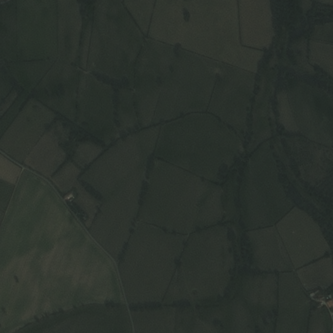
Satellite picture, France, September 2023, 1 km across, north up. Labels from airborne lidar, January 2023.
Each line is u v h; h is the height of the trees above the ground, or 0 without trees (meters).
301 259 0
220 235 0
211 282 0
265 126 0
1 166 0
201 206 0
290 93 0
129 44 0
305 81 17
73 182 0
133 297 0
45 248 0
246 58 0
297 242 0
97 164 0
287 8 20
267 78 0
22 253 0
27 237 0
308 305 0
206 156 0
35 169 0
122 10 0
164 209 0
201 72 0
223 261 0
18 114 0
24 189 0
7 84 0
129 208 0
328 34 0
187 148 0
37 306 0
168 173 0
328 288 6
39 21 0
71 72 0
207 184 0
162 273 0
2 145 0
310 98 0
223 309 0
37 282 0
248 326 0
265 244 0
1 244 0
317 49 0
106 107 0
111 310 0
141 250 0
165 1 0
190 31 0
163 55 0
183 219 0
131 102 0
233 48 0
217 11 0
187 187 0
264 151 0
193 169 0
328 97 0
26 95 0
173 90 0
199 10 0
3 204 0
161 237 0
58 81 0
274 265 0
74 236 0
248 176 0
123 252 11
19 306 0
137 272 0
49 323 0
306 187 21
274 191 0
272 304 0
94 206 0
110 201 0
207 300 0
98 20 0
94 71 0
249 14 0
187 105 0
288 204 0
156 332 0
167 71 0
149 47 0
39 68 0
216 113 0
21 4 0
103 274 0
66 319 0
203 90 0
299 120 0
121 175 0
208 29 0
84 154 0
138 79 0
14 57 0
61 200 0
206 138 0
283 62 0
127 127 0
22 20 0
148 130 0
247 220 0
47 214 0
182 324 0
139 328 0
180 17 0
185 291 0
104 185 0
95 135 0
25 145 0
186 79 0
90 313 0
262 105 0
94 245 0
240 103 0
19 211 0
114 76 0
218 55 0
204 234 0
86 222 0
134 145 0
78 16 0
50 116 0
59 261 0
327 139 0
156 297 0
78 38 0
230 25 0
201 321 0
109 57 0
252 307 0
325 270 0
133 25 0
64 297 0
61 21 0
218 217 0
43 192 0
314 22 6
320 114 0
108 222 0
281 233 0
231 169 8
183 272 0
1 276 0
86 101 0
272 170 0
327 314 0
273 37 8
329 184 0
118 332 0
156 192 0
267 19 0
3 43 0
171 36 0
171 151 0
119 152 0
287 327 0
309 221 0
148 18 0
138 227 0
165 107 0
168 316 0
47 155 0
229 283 0
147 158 0
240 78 0
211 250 0
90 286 0
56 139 0
